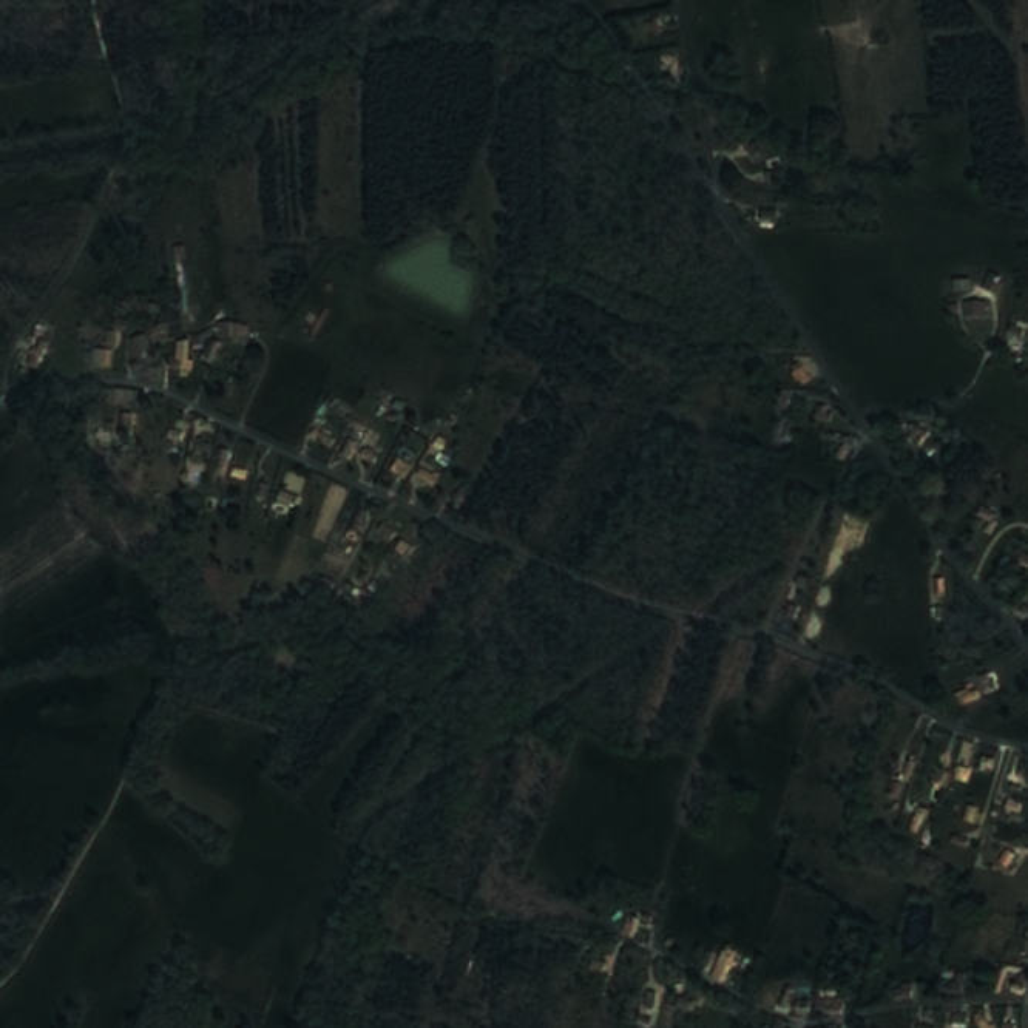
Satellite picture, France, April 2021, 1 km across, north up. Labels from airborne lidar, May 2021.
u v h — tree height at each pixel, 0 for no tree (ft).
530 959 61
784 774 0
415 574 50
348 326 0
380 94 66
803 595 25
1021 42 0
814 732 0
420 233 33
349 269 0
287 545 0
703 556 45
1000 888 0
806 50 0
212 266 0
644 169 38
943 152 0
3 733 0
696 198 40
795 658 0
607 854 0
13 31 38
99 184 46
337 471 0
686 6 0
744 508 62
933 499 42
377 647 63
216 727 0
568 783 0
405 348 0
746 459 43
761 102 0
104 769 0
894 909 0
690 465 41
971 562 62
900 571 0
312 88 68
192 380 0
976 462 61
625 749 49
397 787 48
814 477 0
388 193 69
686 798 0
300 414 0
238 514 22
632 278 27
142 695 0
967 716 33
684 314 41
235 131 39
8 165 61
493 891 0
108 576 0
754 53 0
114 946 0
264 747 0
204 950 0
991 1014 0
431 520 0
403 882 60
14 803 0
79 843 37
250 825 0
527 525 54
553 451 61
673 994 31
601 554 44
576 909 45
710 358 42
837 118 40
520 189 47
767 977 0
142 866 0
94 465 58
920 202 0
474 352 0
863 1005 22
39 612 0
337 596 45
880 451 0
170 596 31
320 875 0
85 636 0
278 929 0
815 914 0
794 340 25
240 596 0
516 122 55
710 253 56
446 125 62
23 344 0
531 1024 42
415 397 0
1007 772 0
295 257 32
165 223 66
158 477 0
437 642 84
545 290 19
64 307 0
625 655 33
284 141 20
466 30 81
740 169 28
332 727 54
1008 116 58
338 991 63
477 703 69
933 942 42
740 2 0
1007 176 62
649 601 21
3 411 0
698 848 0
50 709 46
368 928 56
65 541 0
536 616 81
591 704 50
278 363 0
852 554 0
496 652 54
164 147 77
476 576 31
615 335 31
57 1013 0
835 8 0
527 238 51
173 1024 53
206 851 64
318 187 49
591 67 39
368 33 54
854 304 0
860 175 58
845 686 52
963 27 54
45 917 31
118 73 64
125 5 91
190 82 53
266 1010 0
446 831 65
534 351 50
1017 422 0
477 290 0
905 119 35
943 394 0
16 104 0
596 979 28
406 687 60
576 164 49
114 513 74
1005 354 60
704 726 45
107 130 43
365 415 0
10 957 57
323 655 65
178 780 0
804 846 0
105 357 0
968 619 57
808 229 0
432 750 52
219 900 0
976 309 0
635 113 30
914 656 0
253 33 55
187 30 50
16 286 81
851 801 33
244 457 0
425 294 0
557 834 0
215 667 57
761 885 0
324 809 0
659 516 46
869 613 0
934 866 61
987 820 0
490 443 0
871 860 47
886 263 0
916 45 0
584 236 44
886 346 0
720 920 48
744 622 52
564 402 55
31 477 0
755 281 46
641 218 47
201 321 0
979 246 0
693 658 53
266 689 53
